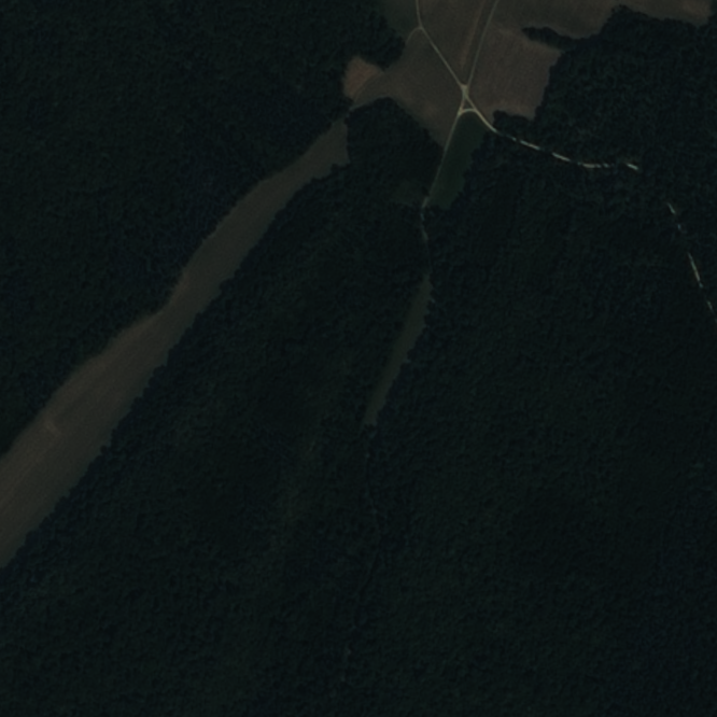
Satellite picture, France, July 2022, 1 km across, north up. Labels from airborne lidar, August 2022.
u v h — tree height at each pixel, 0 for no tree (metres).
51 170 15
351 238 14
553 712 15
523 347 21
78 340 14
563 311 20
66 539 26
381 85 0
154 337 0
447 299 12
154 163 11
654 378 12
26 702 18
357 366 19
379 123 12
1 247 19
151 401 24
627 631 19
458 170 0
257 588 14
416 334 0
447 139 0
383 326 17
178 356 22
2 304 19
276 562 15
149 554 17
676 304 19
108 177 16
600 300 12
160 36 21
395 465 21
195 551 21
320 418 9
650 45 14
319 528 19
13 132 17
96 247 18
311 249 14
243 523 13
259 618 17
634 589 18
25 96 16
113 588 18
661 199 22
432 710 15
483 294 20
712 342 18
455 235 23
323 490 14
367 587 17
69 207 11
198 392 17
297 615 14
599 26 0
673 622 23
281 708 21
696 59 8
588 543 9
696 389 9
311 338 15
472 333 19
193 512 11
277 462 8
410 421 21
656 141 8
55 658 17
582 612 14
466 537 18
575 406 13
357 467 13
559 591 18
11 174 20
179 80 17
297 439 14
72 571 11
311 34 16
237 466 10
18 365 16
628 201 17
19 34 18
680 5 0
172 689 17
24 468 0
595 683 18
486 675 20
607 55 16
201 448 17
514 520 14
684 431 17
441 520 13
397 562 16
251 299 16
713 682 25
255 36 15
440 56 0
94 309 17
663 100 19
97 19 18
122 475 21
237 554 10
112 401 0
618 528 14
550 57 0
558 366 18
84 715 16
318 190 16
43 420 0
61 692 17
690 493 20
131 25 18
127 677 15
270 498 9
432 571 13
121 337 0
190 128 13
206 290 0
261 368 9
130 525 11
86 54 18
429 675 17
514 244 15
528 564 19
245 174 17
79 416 0
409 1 0
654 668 22
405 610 13
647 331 16
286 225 20
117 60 15
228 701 17
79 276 13
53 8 22
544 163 9
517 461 16
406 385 20
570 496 13
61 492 0
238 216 0
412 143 13
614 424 9
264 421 16
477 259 12
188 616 15
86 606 22
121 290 17
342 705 13
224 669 14
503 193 13
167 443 10
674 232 18
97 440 0
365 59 12
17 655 18
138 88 11
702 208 11
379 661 14
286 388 14
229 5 12
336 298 12
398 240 15
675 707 19
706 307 13
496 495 14
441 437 17
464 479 16
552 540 16
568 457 21
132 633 15
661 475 12
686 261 19
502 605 16
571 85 7
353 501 13
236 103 13
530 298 20
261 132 18
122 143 14
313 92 12
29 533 0
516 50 0
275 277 14
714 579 28
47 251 15
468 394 14
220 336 20
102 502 23
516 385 18
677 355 16
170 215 12
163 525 20
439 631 13
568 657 14
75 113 14
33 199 17
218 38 13
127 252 23
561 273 19
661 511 12
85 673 20
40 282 18
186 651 20
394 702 19
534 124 7
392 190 13
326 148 0
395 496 8
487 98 0
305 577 16
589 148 18
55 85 13
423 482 17
